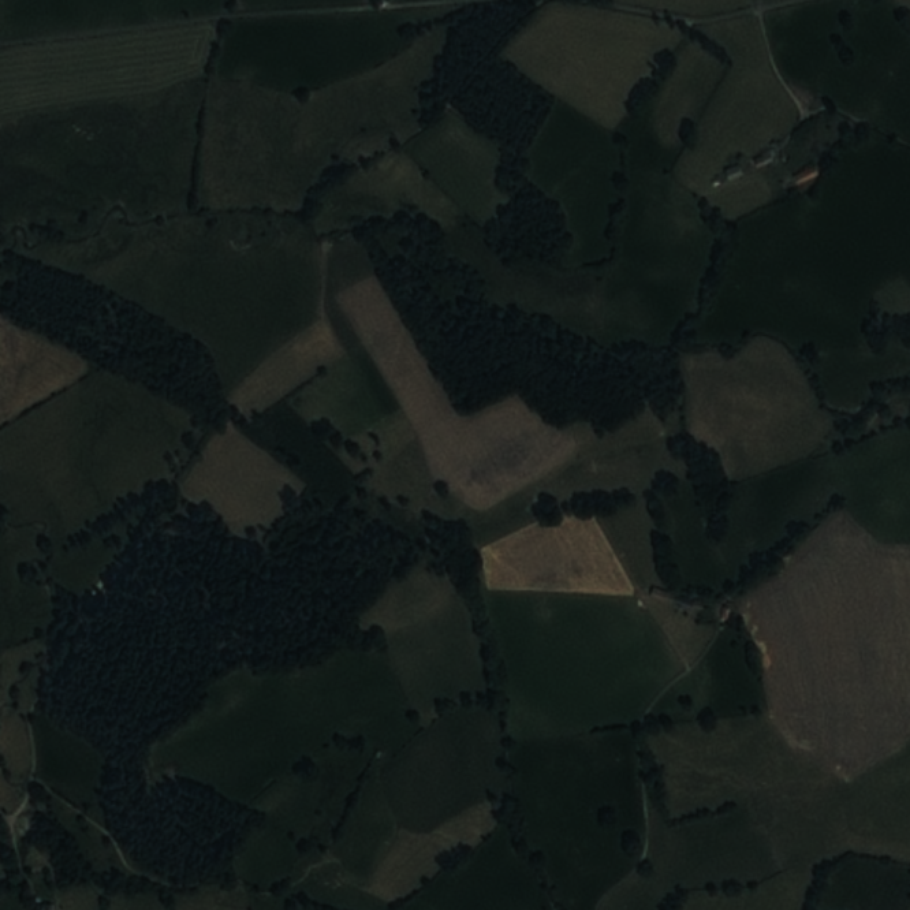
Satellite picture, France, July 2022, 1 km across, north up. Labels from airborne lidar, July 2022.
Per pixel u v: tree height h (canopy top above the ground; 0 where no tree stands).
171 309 0
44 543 16
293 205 0
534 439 0
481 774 0
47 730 0
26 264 15
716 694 0
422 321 23
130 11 0
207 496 0
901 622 0
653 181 0
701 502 7
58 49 0
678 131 0
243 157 0
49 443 0
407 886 0
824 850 0
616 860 0
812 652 0
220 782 0
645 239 0
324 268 0
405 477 0
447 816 0
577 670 0
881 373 0
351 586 24
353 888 0
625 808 0
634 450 0
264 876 0
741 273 0
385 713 0
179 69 0
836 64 0
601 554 0
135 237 0
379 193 0
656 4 0
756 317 0
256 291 0
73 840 15
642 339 0
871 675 0
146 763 22
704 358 0
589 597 0
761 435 0
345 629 23
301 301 0
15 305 14
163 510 23
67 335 11
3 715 0
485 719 0
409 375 0
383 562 24
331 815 0
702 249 0
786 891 0
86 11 0
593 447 0
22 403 0
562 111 0
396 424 0
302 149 0
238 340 0
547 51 0
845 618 0
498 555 0
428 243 16
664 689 0
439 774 0
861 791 0
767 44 0
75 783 0
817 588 0
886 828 0
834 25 0
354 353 0
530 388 26
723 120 0
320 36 0
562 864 0
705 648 0
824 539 0
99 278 0
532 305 0
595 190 0
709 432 0
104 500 0
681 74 0
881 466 0
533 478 0
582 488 0
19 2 0
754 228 0
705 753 0
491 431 0
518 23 13
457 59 19
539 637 0
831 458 0
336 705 0
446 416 0
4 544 0
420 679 0
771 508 0
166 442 0
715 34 0
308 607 13
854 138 18
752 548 0
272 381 0
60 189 0
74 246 0
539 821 0
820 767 0
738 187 0
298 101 8
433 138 0
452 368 21
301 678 0
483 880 0
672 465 0
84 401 0
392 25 0
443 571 15
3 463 0
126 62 0
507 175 13
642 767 7
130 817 24
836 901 0
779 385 0
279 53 0
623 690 0
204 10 0
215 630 25
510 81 19
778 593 0
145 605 20
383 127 0
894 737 0
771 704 0
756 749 0
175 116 0
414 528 0
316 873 0
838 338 0
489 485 0
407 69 0
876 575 0
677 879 0
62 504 0
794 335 0
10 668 0
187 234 0
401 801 0
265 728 0
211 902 0
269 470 0
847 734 0
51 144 0
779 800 0
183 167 0
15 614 0
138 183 0
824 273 0
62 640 23
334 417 0
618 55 0
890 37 0
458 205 0
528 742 0
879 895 0
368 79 0
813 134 0
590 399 23
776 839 0
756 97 0
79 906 0
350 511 14
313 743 0
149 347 10
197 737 0
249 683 0
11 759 0
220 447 0
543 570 0
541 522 19
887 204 0
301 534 7
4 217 0
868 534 0
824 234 0
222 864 19
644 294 0
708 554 0
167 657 26
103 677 23
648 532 0
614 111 0
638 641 0
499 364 19
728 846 0
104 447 0
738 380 0
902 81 0
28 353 0
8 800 0
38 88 0
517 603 0
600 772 0
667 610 0
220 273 0
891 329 23
